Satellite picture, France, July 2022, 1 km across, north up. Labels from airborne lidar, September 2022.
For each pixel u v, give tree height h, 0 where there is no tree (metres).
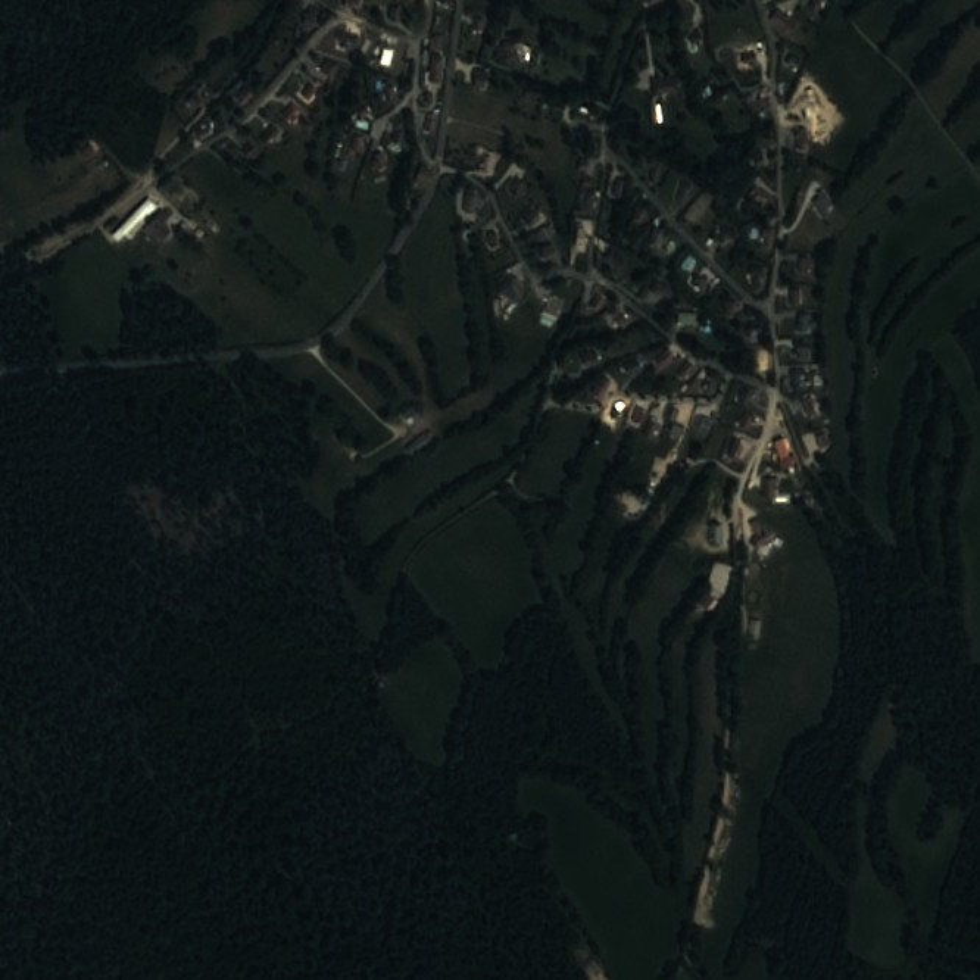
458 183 9
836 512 7
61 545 21
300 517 15
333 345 16
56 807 16
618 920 0
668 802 17
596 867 0
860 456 19
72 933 15
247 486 23
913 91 8
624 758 16
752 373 10
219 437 14
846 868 18
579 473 20
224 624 16
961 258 8
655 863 20
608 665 18
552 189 11
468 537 0
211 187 0
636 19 6
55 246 0
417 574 0
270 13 7
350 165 0
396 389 8
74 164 0
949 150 0
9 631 20
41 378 18
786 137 0
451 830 9
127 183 6
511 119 0
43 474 16
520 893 11
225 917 16
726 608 8
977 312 7
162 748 13
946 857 0
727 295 13
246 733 11
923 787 0
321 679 8
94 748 25
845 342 0
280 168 0
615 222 13
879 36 0
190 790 19
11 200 0
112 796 15
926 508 14
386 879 25
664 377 7
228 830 13
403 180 16
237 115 6
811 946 18
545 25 15
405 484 0
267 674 11
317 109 6
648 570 16
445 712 0
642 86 0
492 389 0
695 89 14
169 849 13
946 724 15
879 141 16
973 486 0
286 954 9
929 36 0
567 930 11
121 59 13
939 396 17
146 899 16
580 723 17
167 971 8
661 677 7
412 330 0
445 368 0
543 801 0
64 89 7
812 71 0
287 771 19
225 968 16
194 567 16
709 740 0
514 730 14
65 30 16
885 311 11
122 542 22
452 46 0
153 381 9
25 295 17
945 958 10
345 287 0
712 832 5
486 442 0
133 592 25
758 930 16
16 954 16
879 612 18
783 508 0
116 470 22
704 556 0
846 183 11
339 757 13
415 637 17
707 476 12
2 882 11
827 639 0
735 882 0
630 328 7
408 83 13
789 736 0
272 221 0
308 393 15
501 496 8
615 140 14
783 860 9
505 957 13
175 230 10
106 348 0
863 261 10
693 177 9
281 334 0
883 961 0
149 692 9
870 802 16
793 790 15
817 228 0
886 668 9
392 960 19
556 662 17
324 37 0
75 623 26
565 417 0
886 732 0
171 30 12
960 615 13
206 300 0
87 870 11
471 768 21
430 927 10
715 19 0
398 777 27
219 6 0
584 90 19
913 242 0
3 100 21
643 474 0
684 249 6
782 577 0
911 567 18
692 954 13
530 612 11
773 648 0
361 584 8
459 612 0
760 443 0
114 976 7
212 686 12
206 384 22
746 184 11
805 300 0
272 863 13
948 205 0
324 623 23
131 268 0
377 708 19
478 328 16
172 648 11
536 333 0
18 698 19
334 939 20
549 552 0
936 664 17
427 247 0
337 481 0
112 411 8
